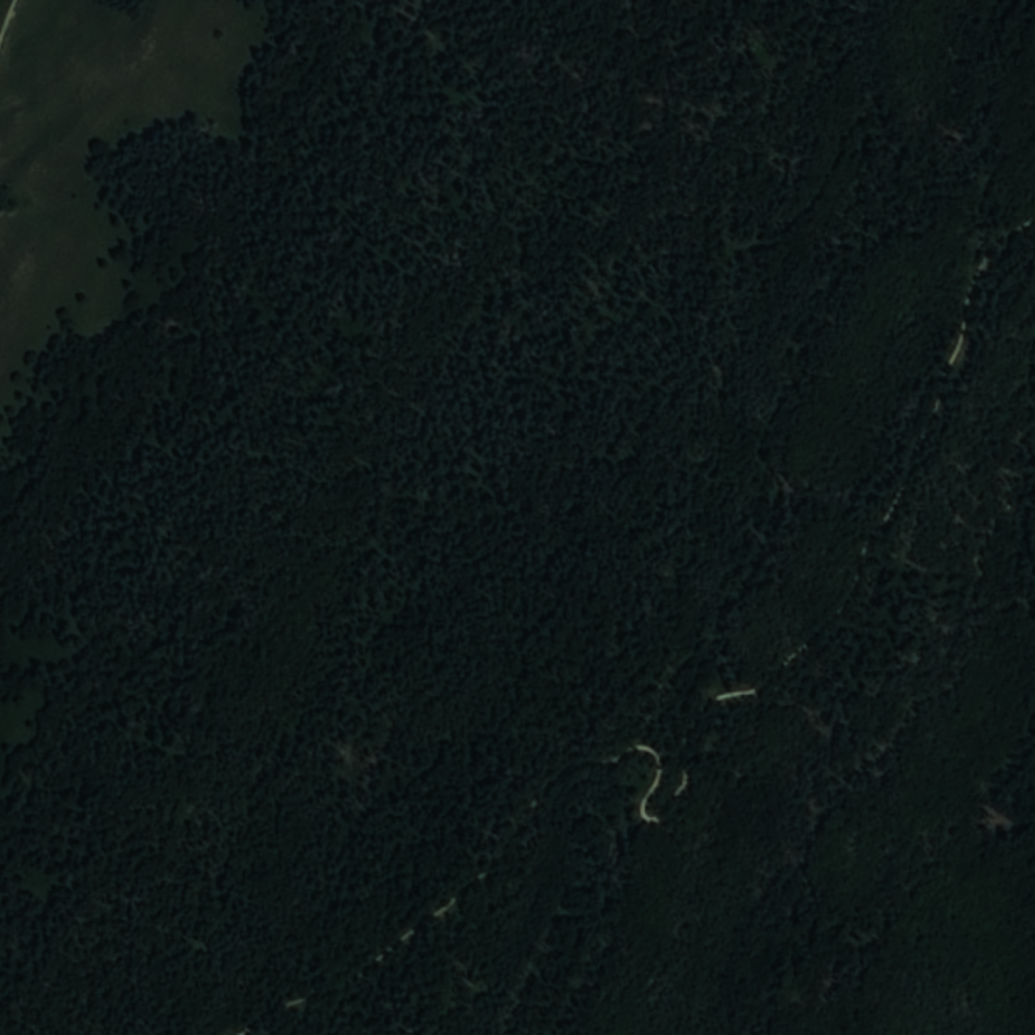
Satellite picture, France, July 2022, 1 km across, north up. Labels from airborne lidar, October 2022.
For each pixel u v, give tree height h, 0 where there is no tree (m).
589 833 20
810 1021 21
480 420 24
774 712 16
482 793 23
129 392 17
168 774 19
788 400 21
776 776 19
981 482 15
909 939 20
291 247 25
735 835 18
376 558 24
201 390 17
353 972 14
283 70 15
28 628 12
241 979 15
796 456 16
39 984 12
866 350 11
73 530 27
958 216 18
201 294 17
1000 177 17
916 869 19
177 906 6
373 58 24
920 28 12
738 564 17
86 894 16
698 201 17
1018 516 10
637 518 20
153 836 18
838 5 27
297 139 27
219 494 20
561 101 17
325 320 26
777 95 21
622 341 26
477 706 19
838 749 23
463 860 18
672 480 24
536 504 21
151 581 25
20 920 19
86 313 0
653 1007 19
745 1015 20
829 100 24
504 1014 23
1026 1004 21
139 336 18
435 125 25
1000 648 16
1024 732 17
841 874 13
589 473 24
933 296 18
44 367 18
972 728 15
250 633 14
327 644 10
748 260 24
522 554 21
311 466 19
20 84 0
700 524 17
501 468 25
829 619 13
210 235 19
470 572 20
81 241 0
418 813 26
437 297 18
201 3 0
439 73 25
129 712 15
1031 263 11
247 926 8
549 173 23
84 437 18
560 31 22
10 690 13
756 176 21
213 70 0
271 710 12
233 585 21
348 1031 17
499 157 20
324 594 17
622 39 21
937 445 10
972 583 21
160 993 13
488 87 27
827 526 18
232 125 0
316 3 26
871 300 14
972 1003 18
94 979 17
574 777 23
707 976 12
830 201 22
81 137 0
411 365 19
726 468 20
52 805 17
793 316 21
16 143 0
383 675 19
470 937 17
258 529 20
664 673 22
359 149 20
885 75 21
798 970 20
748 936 20
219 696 14
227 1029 14
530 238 20
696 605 19
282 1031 17
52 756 18
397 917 21
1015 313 16
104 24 0
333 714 23
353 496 20
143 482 17
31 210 0
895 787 22
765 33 23
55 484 18
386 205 24
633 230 17
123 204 8
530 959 23
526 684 20
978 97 27
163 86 0
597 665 20
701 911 22
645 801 0
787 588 12
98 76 0
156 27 0
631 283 24
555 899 22
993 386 10
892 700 16
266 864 14
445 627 21
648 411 20
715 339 23
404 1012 18
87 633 23
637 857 16
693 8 17
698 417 20
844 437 14
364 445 17
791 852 22
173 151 29
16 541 14
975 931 15
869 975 20
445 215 17
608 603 21
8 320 0
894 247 18
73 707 19
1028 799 28
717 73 20
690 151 18
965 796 16
